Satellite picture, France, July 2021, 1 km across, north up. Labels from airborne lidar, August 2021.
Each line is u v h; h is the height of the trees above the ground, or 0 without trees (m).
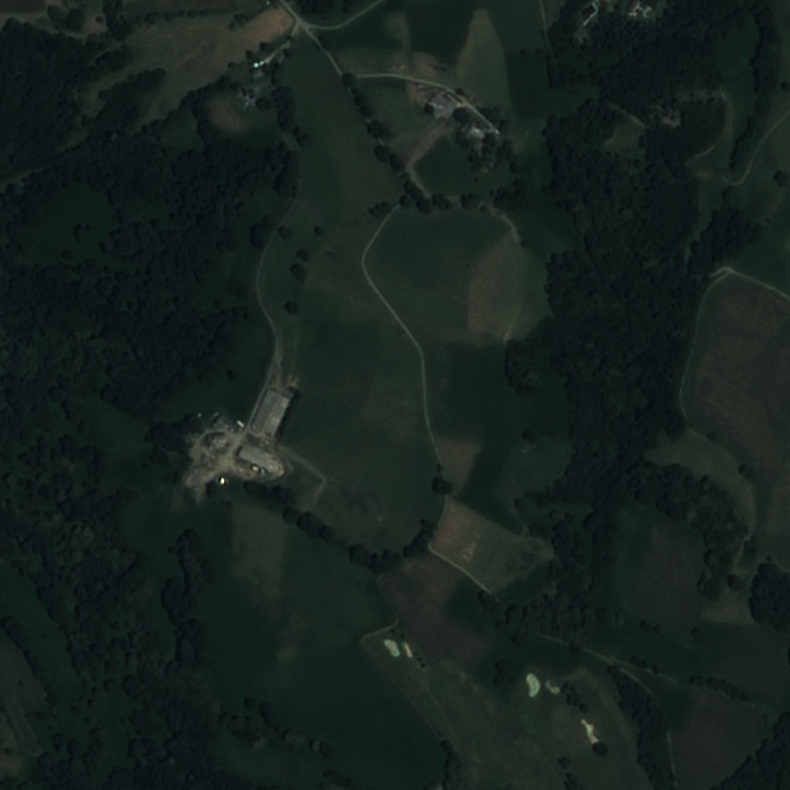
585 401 15
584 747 0
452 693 0
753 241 13
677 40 30
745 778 19
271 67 13
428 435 0
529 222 0
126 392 18
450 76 0
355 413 0
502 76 0
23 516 16
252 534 0
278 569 0
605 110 11
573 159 23
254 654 0
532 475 0
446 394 0
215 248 11
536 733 0
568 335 14
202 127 15
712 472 0
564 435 0
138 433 0
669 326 27
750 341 0
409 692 0
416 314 0
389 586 0
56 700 13
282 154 14
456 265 0
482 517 0
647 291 9
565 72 11
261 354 0
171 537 0
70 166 23
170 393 20
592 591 11
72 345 8
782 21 0
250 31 0
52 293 22
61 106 17
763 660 0
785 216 0
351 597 0
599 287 26
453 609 0
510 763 0
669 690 0
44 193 11
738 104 0
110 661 19
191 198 16
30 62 19
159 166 26
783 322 0
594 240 19
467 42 0
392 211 10
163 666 24
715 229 24
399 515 0
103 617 19
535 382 14
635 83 23
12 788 8
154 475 0
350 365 0
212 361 29
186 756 25
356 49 0
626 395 11
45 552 21
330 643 0
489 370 0
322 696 0
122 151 26
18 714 0
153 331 32
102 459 17
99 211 0
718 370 0
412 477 0
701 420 0
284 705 0
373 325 0
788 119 0
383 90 0
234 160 20
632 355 6
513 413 0
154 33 0
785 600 23
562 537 18
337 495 0
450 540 0
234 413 0
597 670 0
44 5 0
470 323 0
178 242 17
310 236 0
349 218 0
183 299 17
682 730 0
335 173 0
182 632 11
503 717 0
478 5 0
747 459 0
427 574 0
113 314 32
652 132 15
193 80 0
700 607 0
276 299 0
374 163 0
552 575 10
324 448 0
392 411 0
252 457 0
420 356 0
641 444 22
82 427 14
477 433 0
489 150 11
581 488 17
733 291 0
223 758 0
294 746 9
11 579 0
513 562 0
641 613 0
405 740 0
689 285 16
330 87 0
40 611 0
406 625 0
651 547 0
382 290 0
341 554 0
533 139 0
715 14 29
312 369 0
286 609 0
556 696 0
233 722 15
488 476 0
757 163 0
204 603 0
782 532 0
